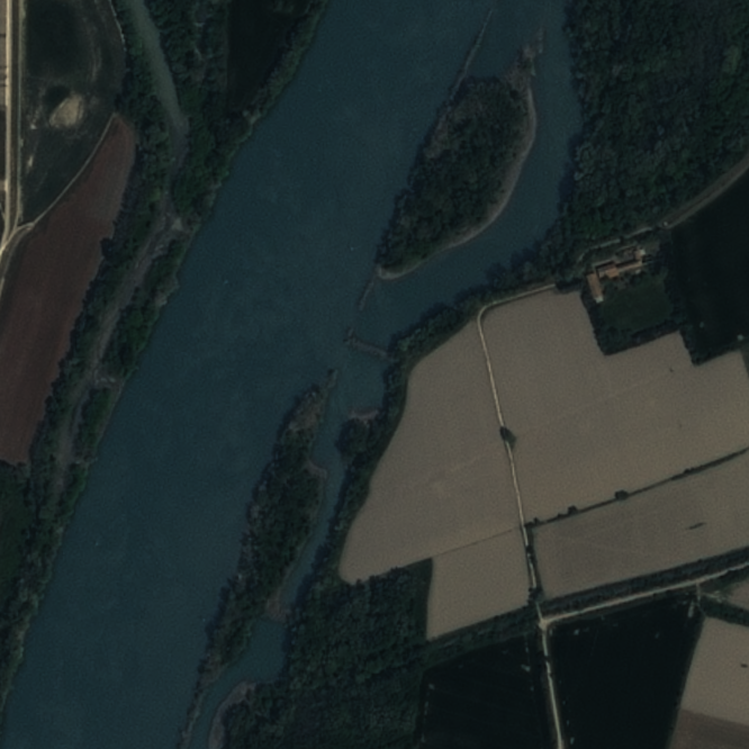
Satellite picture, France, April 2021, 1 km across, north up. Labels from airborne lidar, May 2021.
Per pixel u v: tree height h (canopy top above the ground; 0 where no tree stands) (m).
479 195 18
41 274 0
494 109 18
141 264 0
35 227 0
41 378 0
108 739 0
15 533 0
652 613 0
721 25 23
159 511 0
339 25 0
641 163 31
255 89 0
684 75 26
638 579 6
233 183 0
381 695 22
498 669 0
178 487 0
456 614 0
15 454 0
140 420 0
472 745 0
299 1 0
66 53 0
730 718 0
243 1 0
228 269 0
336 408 0
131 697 0
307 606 23
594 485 0
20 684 0
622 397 0
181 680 0
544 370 0
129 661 0
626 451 0
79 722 0
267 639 0
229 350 0
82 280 0
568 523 0
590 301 13
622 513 0
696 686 0
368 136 0
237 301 0
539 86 0
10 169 0
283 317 0
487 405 0
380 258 9
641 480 0
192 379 0
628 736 0
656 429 0
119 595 0
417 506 0
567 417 0
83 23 0
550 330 0
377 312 0
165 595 0
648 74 16
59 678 0
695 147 30
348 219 0
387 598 21
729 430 0
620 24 16
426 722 0
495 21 0
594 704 0
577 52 20
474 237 0
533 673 0
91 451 8
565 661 0
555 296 0
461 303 17
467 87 16
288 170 0
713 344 0
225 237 0
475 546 0
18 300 0
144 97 20
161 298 22
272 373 0
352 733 18
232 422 0
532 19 0
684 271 0
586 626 0
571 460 0
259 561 17
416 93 0
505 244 0
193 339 0
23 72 0
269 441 0
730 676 0
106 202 0
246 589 6
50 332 0
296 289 0
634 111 27
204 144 14
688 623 0
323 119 0
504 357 0
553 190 0
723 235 0
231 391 0
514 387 0
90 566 0
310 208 0
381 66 0
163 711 0
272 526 19
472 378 0
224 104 17
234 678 0
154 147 5
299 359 0
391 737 19
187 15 25
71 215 0
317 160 0
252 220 0
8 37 0
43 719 0
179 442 0
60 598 0
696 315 0
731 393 0
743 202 0
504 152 15
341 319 0
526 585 0
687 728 0
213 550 0
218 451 0
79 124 0
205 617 0
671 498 0
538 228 0
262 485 10
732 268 0
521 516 0
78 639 0
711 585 6
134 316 15
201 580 0
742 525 0
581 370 0
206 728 0
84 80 0
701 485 0
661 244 7
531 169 0
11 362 0
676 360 0
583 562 0
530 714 0
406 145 0
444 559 0
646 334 9
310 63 0
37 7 0
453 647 8
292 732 22
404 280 0
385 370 0
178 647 0
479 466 0
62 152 0
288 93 0
